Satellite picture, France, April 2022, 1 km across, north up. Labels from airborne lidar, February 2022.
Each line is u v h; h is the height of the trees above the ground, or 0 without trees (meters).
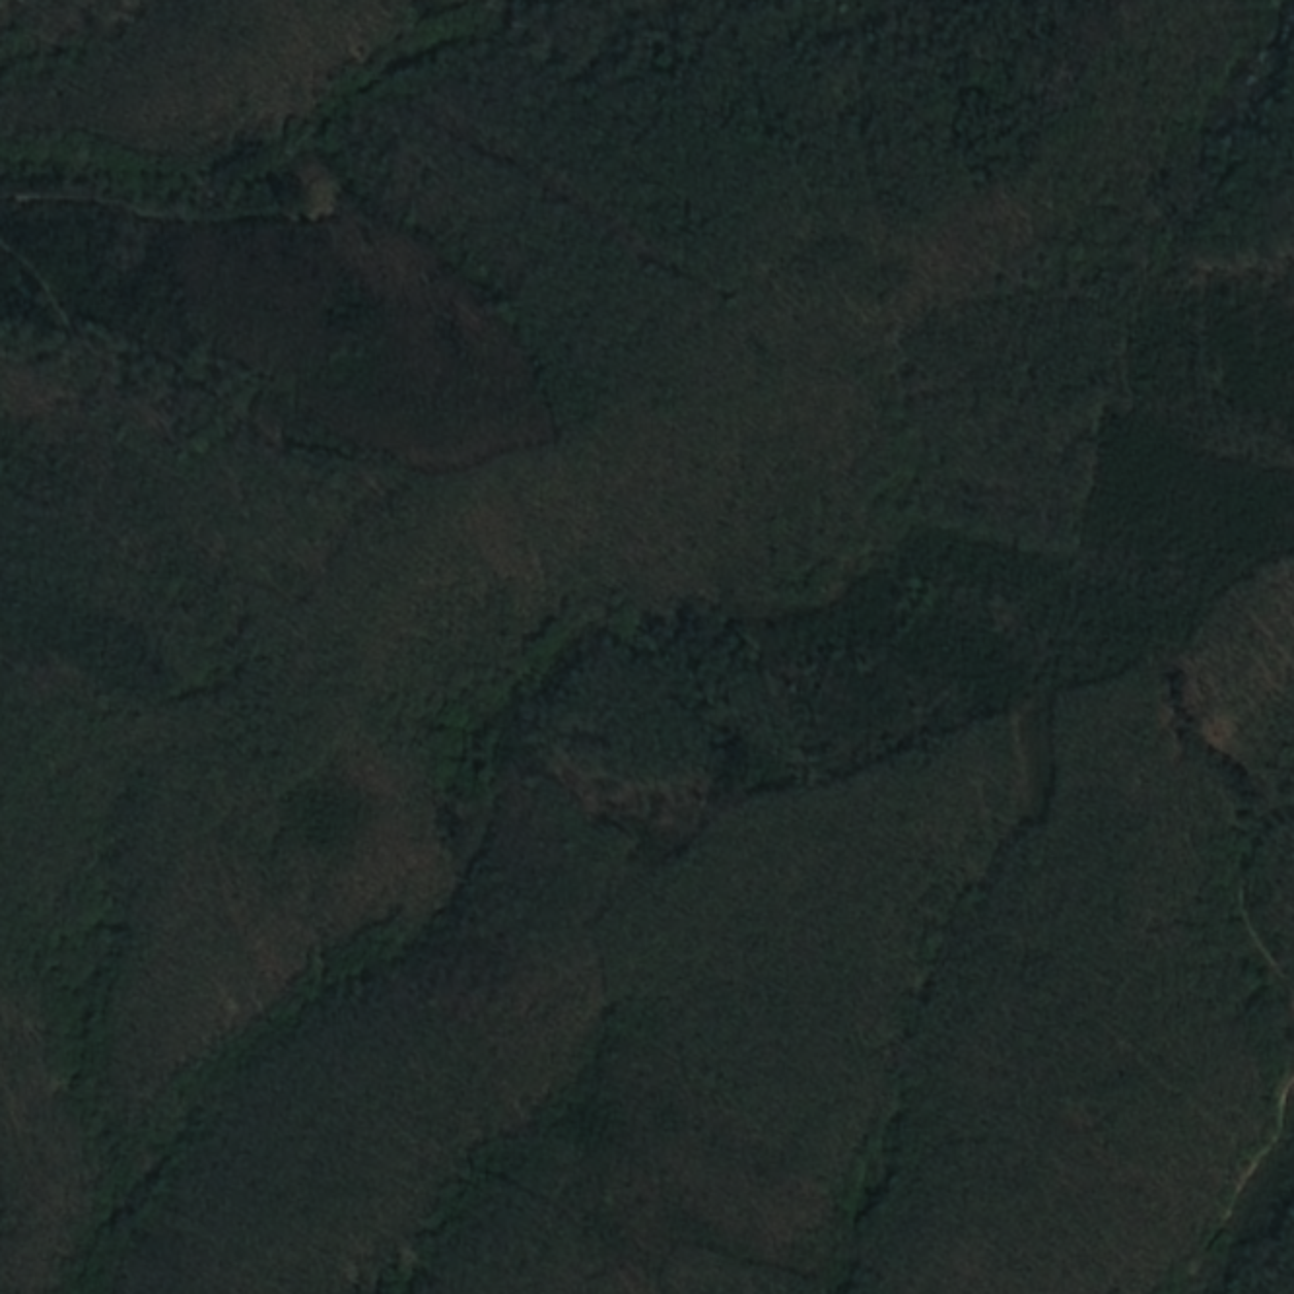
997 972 18
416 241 13
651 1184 13
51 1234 24
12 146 18
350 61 20
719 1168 14
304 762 23
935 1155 23
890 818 21
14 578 22
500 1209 21
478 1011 14
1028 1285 21
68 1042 13
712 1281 24
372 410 11
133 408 24
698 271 14
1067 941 22
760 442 23
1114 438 7
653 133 19
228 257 12
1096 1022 20
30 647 19
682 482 23
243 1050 20
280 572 17
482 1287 21
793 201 17
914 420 22
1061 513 18
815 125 23
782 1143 19
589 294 20
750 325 19
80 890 24
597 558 26
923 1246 24
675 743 22
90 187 8
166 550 17
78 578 19
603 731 21
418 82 21
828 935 22
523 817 17
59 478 13
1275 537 8
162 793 25
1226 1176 24
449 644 27
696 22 19
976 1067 22
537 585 14
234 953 24
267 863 19
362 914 11
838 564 17
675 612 22
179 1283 19
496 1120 23
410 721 21
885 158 19
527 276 15
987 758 20
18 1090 20
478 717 7
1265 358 7
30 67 18
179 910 23
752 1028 24
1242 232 23
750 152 21
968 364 18
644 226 19
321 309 12
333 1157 20
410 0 19
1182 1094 22
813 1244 11
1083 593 7
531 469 16
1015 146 17
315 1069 23
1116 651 13
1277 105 23
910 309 18
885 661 9
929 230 19
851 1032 24
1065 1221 23
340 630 24
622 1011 23
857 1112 24
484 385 13
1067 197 20
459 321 15
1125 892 22
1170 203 21
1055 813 19
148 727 25
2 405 8
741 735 7
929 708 6
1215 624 17
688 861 18
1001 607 15
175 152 16
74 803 23
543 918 17
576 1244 22
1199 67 22
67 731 21
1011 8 19
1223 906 27
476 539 15
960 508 19
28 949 22
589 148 20
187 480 17
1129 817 20
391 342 14
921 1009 24
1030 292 7
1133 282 17
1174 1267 18
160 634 21
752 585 24
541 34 19
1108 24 19
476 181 22
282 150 19
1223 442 16
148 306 8
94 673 21
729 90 19
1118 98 20
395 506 20
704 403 23
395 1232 24
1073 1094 21
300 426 9
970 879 28
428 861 13
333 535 15
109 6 20
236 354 11
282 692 24
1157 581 10
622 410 21
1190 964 23
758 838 20
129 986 20
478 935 14
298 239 15
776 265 18
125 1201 21
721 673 23
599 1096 13
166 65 15
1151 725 21
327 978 13
